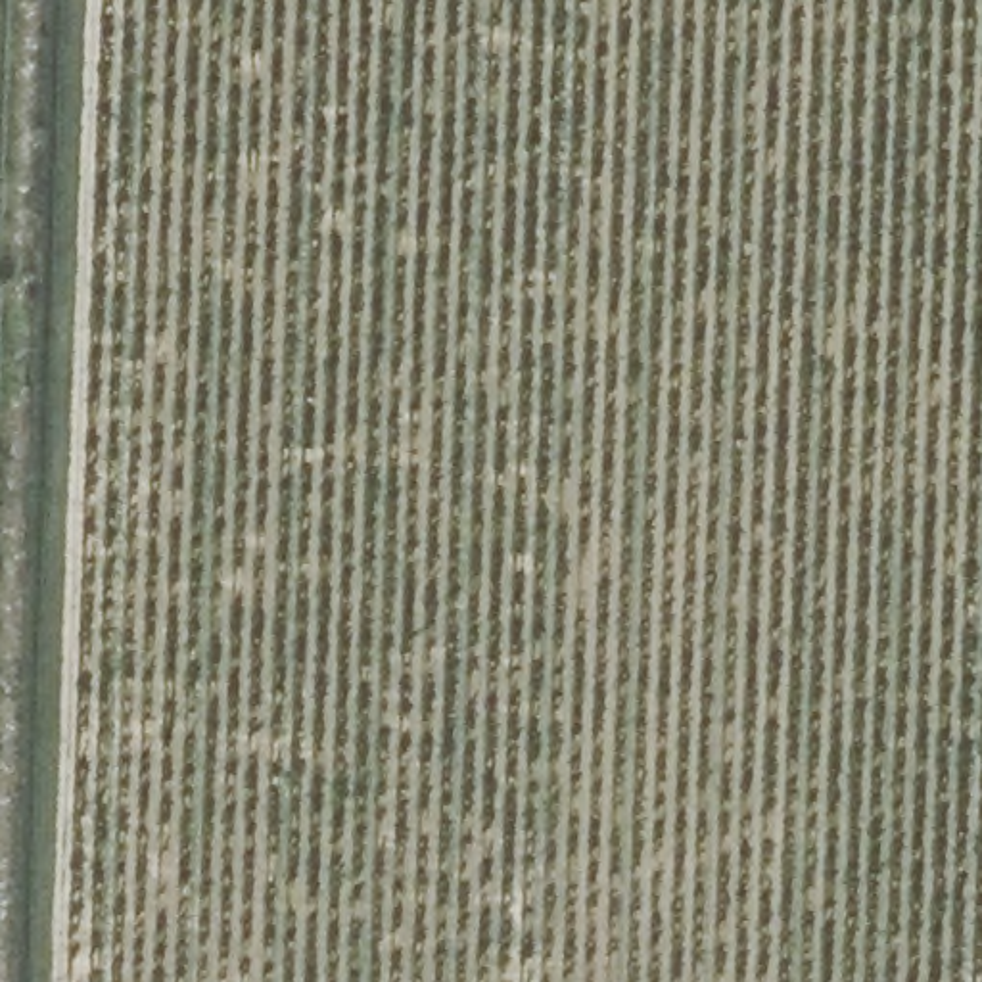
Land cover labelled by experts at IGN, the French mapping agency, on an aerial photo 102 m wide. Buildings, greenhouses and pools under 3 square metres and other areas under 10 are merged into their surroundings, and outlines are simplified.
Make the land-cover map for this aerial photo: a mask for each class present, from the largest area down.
<instances>
[{"label":"vineyard","instance_id":"1","mask_svg":"<svg viewBox=\"0 0 982 982\"><path fill-rule=\"evenodd\" d=\"M0 982H982V0H0Z\"/></svg>","mask_w":982,"mask_h":982}]
</instances>
